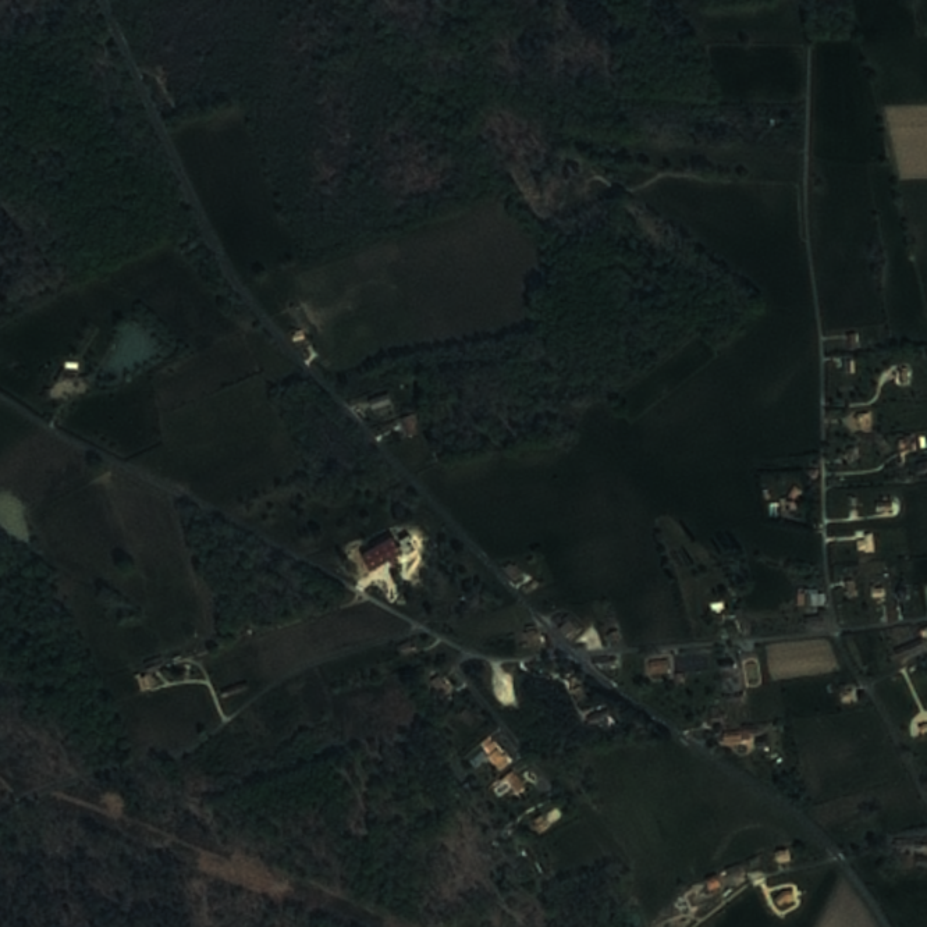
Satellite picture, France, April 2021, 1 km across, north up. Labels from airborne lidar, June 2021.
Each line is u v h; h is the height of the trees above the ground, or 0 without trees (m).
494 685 0
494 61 17
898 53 0
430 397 23
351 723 0
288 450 0
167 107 6
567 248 21
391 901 14
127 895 8
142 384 0
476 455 16
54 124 17
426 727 20
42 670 16
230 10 8
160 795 14
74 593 0
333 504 9
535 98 18
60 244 13
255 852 10
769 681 0
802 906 0
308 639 0
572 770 17
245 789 15
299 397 13
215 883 6
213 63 6
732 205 0
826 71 0
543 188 18
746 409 0
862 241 0
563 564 0
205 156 0
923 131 0
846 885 0
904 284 0
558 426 21
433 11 18
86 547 0
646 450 0
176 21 6
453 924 14
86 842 11
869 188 0
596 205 7
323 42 12
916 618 0
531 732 7
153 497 0
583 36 14
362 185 10
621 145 9
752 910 0
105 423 0
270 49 6
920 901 0
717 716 0
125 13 8
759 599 0
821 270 0
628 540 0
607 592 0
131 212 18
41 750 15
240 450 0
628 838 0
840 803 0
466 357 18
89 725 22
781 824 0
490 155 19
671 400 0
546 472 0
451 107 14
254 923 10
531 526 0
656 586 0
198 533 17
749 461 0
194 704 0
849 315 0
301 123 6
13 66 22
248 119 6
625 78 15
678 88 25
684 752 0
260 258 0
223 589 21
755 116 10
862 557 0
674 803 0
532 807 6
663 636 0
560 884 14
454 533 0
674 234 18
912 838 0
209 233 0
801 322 0
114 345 8
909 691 0
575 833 0
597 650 0
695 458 0
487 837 14
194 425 0
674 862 0
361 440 16
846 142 0
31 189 13
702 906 0
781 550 0
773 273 0
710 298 20
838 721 0
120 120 23
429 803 19
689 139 15
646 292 7
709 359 0
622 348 18
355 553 0
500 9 25
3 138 20
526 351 21
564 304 24
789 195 0
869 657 0
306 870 13
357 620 0
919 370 0
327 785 20
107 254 17
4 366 0
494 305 0
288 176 6
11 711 13
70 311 0
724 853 0
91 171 18
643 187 0
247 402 0
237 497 0
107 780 15
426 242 0
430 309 0
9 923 21
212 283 18
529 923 11
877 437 7
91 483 0
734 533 0
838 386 0
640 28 20
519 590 0
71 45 19
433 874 18
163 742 0
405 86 12
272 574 18
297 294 0
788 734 6
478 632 0
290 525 0
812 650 0
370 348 0
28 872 24
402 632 0
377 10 21
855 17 9
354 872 23
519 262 0
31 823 15
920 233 0
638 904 0
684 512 0
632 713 18
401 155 11
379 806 14
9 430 0
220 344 0
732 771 0
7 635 13
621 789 0
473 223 0
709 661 0
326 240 11
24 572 17
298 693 0
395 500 12
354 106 7
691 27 15
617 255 23
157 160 18
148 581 0
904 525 0
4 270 8
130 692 0
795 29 0
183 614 0
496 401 15
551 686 20
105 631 0
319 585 13
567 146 21
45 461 0
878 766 0
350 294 0
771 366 0
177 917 23
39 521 0
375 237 9
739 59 0
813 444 0
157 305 0
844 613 0
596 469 0
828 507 0
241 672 0
